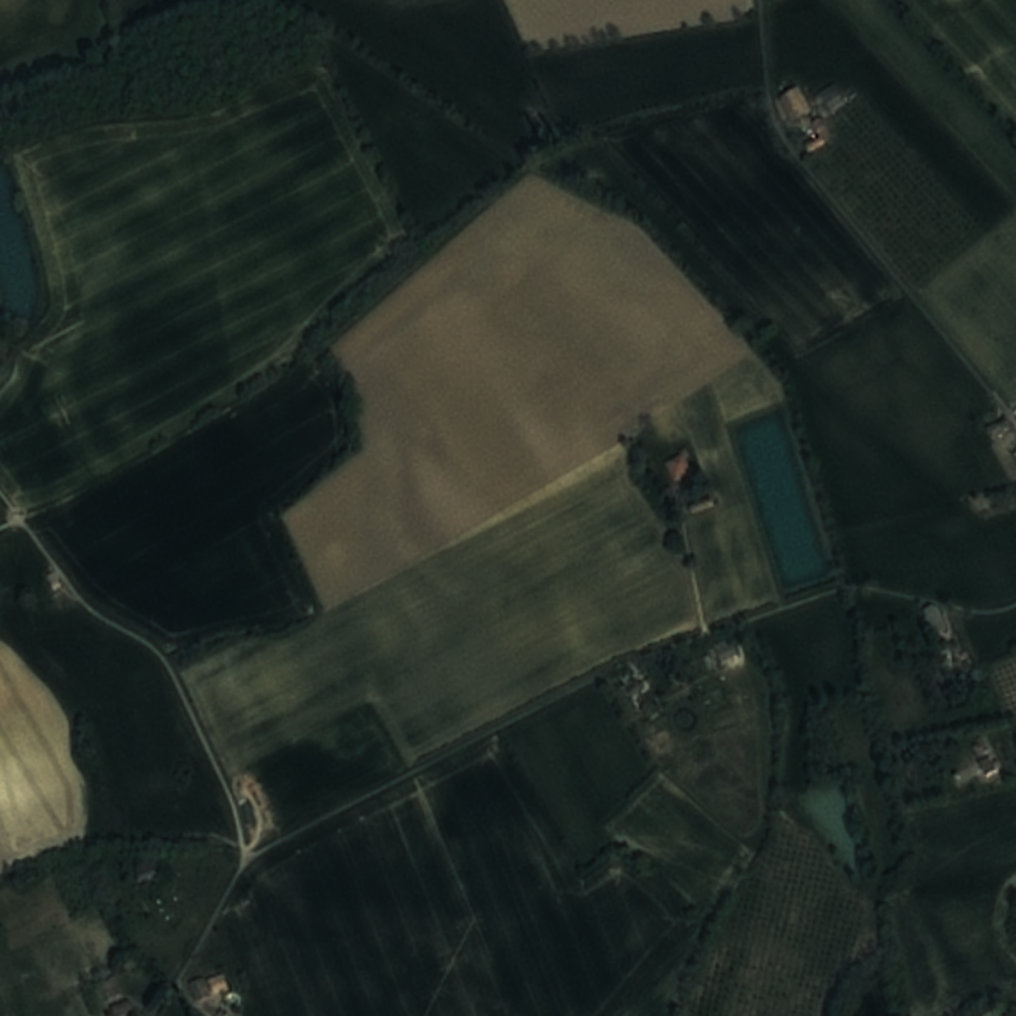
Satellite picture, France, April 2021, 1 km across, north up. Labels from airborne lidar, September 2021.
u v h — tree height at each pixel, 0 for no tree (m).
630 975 0
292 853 0
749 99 0
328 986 0
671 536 10
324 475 10
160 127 0
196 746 0
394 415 0
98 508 0
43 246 0
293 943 0
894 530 0
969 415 0
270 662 0
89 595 0
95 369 0
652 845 0
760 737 0
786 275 0
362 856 0
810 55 0
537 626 0
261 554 0
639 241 0
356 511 0
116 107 14
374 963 0
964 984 0
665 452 0
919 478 0
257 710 0
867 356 0
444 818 0
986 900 0
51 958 0
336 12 0
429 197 0
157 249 0
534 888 0
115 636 0
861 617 19
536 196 0
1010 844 0
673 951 0
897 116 0
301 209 0
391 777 0
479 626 0
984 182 0
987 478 0
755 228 0
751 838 0
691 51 0
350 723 0
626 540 0
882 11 0
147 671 0
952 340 0
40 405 0
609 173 0
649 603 0
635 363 0
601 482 0
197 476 0
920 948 0
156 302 0
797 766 0
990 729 15
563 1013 0
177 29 23
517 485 0
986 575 0
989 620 0
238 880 0
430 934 0
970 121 0
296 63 19
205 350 0
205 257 0
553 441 0
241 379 0
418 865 0
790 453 0
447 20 0
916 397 0
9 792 0
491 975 0
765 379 0
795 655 0
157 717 0
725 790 0
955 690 14
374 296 14
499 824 0
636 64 0
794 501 0
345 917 0
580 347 0
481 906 0
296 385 0
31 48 0
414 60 0
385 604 0
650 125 0
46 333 0
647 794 0
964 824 0
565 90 0
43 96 22
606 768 0
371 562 0
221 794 0
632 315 0
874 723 14
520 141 0
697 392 0
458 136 0
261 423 0
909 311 0
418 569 0
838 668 0
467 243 0
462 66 0
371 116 0
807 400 0
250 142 0
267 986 0
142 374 0
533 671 0
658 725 0
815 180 0
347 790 0
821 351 0
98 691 0
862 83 0
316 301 0
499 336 0
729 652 0
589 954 0
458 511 0
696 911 11
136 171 0
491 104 0
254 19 18
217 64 21
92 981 9
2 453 0
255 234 0
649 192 11
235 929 0
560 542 0
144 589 0
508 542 0
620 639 0
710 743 0
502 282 0
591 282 0
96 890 16
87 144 0
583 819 0
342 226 0
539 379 0
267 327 0
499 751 0
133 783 0
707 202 0
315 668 0
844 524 0
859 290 0
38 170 0
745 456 0
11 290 0
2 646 0
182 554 0
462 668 0
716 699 0
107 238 0
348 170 0
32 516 0
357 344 0
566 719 0
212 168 0
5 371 0
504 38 0
